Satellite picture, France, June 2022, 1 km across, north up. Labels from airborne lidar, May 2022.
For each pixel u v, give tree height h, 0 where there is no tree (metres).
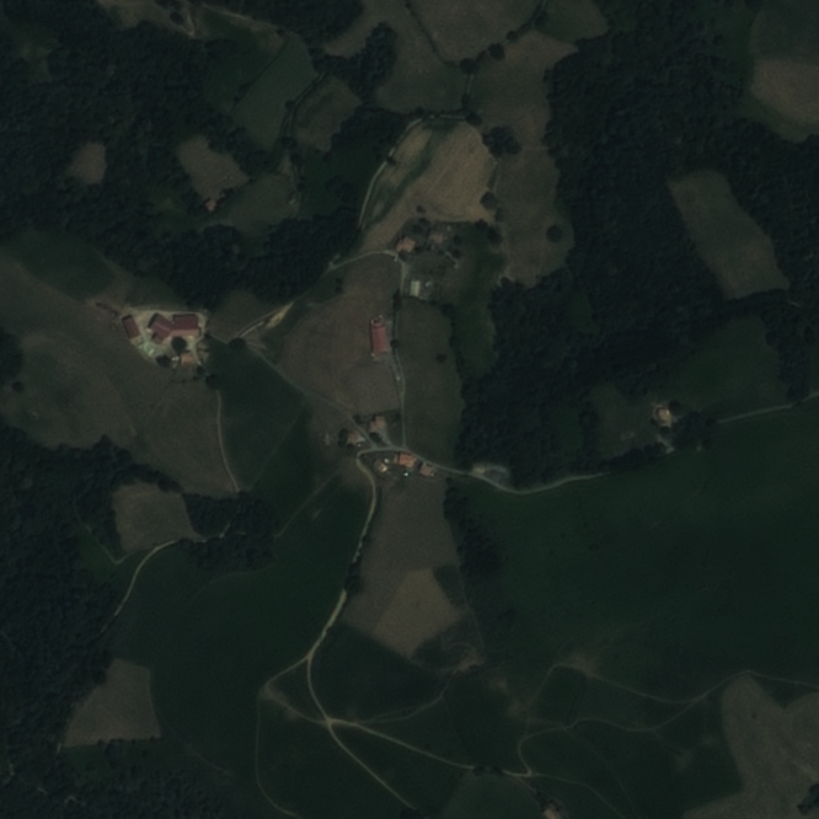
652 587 0
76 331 0
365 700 0
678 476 0
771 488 0
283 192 0
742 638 0
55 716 16
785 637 0
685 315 15
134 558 0
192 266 21
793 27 0
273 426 0
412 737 0
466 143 0
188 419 0
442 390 0
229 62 0
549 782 0
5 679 23
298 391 0
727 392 0
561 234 16
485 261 0
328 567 0
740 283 0
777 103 0
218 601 0
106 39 22
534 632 0
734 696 0
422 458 0
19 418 0
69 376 0
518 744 0
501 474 0
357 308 0
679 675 0
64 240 0
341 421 0
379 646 0
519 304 23
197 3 19
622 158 23
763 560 0
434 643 0
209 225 0
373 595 0
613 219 21
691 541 0
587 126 19
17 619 27
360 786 0
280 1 9
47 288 0
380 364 0
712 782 0
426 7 0
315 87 7
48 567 7
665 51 23
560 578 0
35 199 16
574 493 0
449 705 0
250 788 0
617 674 0
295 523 0
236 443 0
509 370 22
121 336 0
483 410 22
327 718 0
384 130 16
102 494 14
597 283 23
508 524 0
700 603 0
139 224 23
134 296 0
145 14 0
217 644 0
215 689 0
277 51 0
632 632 0
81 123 16
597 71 23
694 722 0
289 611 0
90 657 14
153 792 7
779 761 0
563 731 0
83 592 23
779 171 13
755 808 0
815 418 0
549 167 0
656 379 19
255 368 0
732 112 18
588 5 0
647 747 0
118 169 17
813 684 0
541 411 14
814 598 0
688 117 15
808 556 0
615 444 0
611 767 0
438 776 0
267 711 0
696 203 0
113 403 0
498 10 0
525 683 0
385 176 0
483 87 0
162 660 0
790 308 10
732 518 0
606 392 0
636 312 13
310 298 0
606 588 0
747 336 0
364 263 0
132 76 17
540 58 0
